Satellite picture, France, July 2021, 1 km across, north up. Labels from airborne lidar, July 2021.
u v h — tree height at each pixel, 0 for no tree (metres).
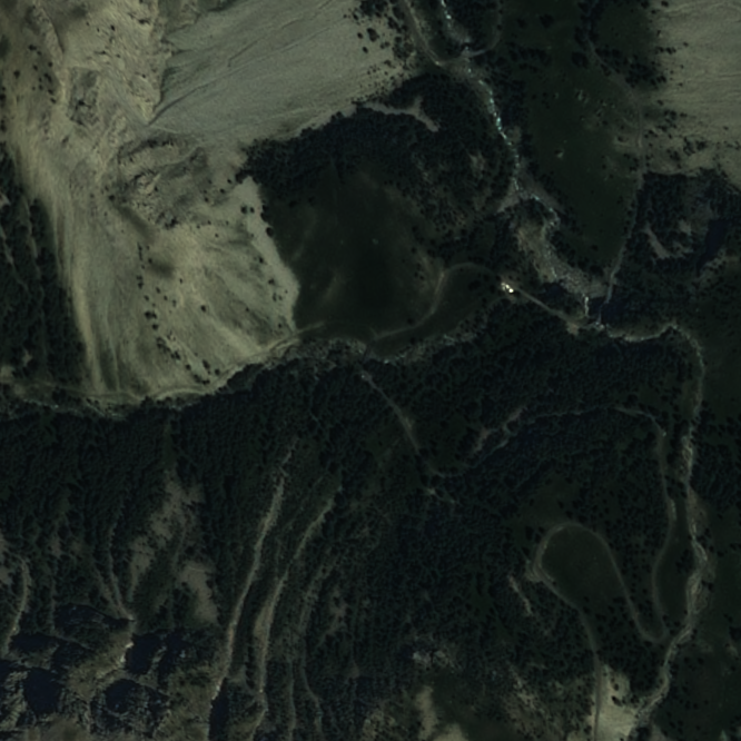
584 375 23
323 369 7
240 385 11
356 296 0
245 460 21
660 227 15
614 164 0
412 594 11
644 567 8
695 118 0
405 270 0
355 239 0
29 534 14
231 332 0
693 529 0
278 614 6
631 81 12
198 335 0
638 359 24
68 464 25
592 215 0
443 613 16
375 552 7
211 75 0
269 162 13
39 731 0
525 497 18
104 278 0
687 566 14
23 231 16
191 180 0
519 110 8
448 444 6
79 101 0
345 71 0
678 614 0
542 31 0
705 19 0
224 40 0
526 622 14
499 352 11
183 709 0
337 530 17
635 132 0
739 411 0
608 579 0
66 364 17
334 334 0
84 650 9
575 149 0
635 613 0
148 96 0
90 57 0
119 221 0
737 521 0
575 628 15
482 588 15
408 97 21
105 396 0
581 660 15
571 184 0
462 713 0
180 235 0
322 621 12
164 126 0
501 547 17
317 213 0
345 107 0
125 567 14
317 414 23
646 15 0
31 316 26
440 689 0
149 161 0
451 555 19
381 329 0
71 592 9
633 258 7
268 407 24
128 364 0
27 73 0
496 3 17
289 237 0
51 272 18
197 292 0
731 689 0
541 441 14
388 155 13
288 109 0
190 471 23
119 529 13
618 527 12
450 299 0
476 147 9
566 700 6
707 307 0
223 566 16
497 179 15
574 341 18
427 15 0
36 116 0
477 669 10
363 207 0
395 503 7
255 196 0
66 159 0
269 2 0
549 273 0
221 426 27
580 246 0
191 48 0
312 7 0
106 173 0
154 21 0
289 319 0
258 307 0
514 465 12
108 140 0
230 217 0
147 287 0
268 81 0
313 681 7
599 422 21
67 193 0
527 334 10
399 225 0
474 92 7
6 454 26
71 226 0
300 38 0
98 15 0
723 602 0
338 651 13
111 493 21
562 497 0
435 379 17
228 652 0
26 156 0
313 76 0
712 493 22
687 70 0
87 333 0
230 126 0
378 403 24
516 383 24
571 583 0
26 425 24
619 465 13
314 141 13
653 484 14
